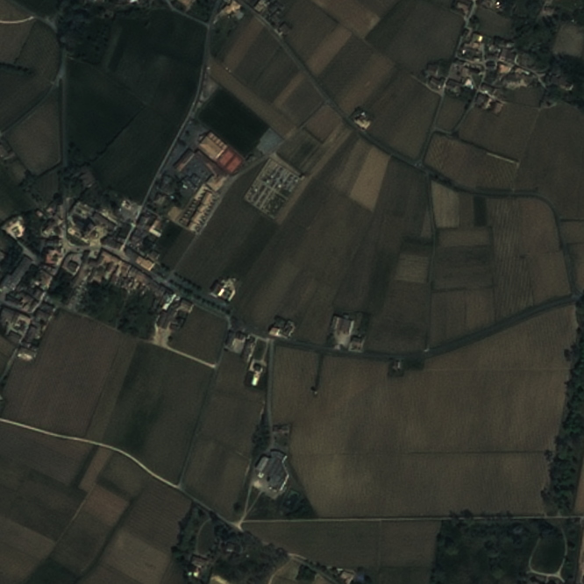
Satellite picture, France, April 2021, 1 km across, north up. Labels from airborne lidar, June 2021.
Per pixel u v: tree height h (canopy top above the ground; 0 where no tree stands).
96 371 0
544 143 0
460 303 0
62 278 7
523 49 10
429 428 0
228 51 0
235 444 0
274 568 18
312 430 0
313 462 0
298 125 0
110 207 16
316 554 0
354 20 0
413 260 0
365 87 0
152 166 0
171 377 0
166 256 0
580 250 0
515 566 0
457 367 0
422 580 0
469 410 0
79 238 0
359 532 0
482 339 0
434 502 0
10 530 0
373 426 0
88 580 0
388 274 0
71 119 0
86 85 0
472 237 0
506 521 15
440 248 0
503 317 0
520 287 0
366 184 0
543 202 0
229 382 0
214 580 0
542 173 0
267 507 0
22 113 0
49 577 0
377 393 0
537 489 0
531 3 12
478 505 0
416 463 0
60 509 0
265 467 0
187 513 0
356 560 0
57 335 0
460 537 0
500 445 0
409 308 0
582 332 8
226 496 0
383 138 0
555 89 14
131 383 0
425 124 0
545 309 0
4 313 0
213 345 0
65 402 0
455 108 0
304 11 0
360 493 0
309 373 0
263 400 0
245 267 0
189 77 0
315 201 0
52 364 0
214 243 0
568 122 0
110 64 0
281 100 0
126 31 0
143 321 0
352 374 0
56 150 0
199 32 0
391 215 0
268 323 0
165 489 0
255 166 0
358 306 0
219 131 0
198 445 0
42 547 0
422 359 0
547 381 0
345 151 0
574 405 11
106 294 10
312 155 0
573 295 0
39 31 0
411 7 0
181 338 0
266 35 0
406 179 0
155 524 0
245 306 0
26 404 0
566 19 15
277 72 0
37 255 6
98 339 0
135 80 0
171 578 0
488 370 0
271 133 0
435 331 0
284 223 0
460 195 0
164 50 0
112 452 0
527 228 0
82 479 0
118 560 0
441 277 0
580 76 7
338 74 0
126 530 0
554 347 0
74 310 0
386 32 0
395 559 0
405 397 0
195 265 0
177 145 5
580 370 15
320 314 0
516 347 0
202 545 0
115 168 0
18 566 0
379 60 0
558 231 0
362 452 0
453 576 0
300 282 0
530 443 0
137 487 0
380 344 0
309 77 0
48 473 0
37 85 0
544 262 0
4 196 0
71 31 23
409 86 0
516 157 0
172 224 0
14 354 0
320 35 0
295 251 0
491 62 0
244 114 0
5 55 0
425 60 0
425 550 0
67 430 0
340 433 0
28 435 0
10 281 0
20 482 0
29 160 0
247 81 0
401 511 0
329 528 0
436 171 0
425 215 0
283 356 0
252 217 0
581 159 0
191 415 0
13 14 0
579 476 0
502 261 0
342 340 0
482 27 0
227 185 0
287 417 0
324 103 0
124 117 0
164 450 0
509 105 0
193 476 0
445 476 0
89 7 12
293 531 0
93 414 0
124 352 0
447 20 0
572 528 17
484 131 0
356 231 0
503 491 0
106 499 0
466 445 0
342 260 0
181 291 9
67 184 9
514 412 0
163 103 0
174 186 10
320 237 0
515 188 0
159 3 12
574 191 0
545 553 0
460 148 0
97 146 0
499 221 0
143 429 0
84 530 0
